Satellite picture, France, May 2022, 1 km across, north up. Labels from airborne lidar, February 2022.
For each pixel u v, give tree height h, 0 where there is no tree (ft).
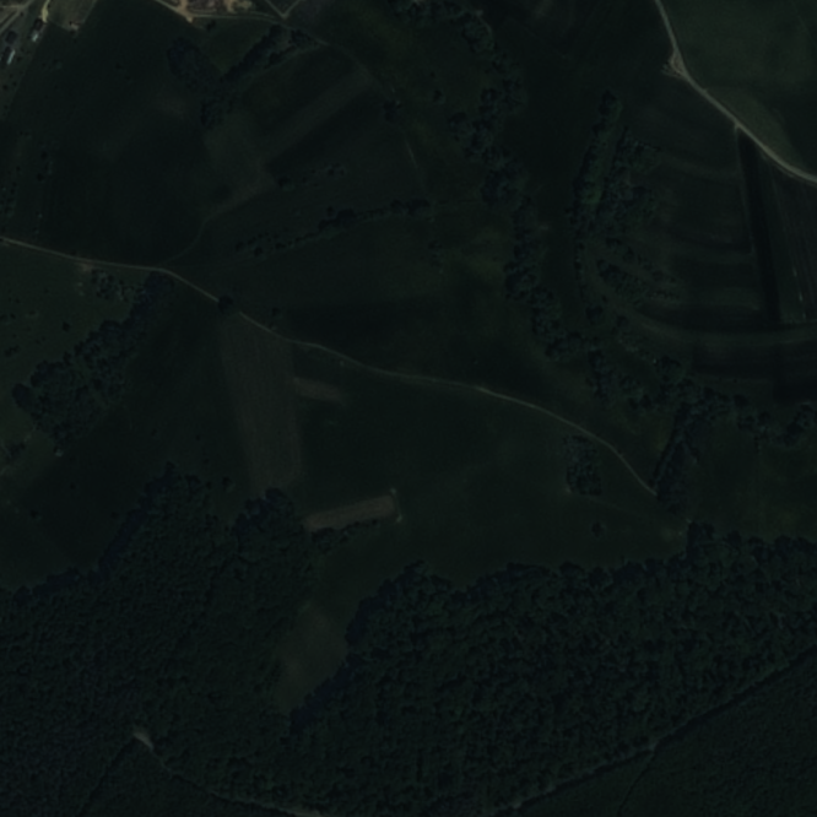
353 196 0
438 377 0
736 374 0
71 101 0
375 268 0
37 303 0
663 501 54
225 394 0
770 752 41
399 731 82
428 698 95
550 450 0
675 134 0
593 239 36
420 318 0
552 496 0
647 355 21
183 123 0
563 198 0
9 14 0
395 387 0
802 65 0
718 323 0
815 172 0
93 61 0
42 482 0
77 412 63
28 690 74
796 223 0
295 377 0
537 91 0
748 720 59
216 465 0
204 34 0
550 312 86
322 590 0
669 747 44
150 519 80
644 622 103
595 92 0
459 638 88
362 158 0
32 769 82
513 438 0
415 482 0
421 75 0
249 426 0
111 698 89
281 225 0
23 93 0
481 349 0
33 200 0
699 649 101
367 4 0
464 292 0
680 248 0
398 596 88
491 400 0
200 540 87
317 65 0
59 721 87
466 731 30
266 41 41
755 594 108
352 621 0
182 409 0
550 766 56
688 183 0
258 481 0
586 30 0
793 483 0
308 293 0
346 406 0
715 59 0
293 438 0
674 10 0
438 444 0
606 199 31
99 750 81
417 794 84
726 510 0
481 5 0
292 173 0
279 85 0
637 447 0
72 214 0
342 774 73
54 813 89
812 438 0
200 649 108
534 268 64
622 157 27
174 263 0
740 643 95
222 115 47
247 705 104
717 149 0
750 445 0
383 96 0
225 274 0
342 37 0
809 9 0
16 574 0
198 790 58
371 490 0
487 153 58
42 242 0
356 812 96
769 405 0
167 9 0
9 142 0
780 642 97
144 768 67
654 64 0
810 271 0
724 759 41
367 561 0
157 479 0
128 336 63
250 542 98
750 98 0
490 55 58
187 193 0
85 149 0
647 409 60
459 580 0
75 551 0
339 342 0
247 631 107
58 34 0
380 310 0
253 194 0
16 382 0
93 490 0
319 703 28
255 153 0
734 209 0
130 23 0
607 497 0
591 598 74
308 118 0
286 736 91
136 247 0
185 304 0
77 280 0
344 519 0
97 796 76
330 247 0
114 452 0
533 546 0
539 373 0
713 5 0
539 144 0
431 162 0
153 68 0
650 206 43
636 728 31
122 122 0
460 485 0
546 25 0
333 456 0
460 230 0
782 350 0
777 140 0
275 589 115
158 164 0
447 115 0
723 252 0
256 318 0
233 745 107
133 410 0
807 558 99
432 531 0
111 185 0
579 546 0
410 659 96
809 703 55
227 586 104
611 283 35
